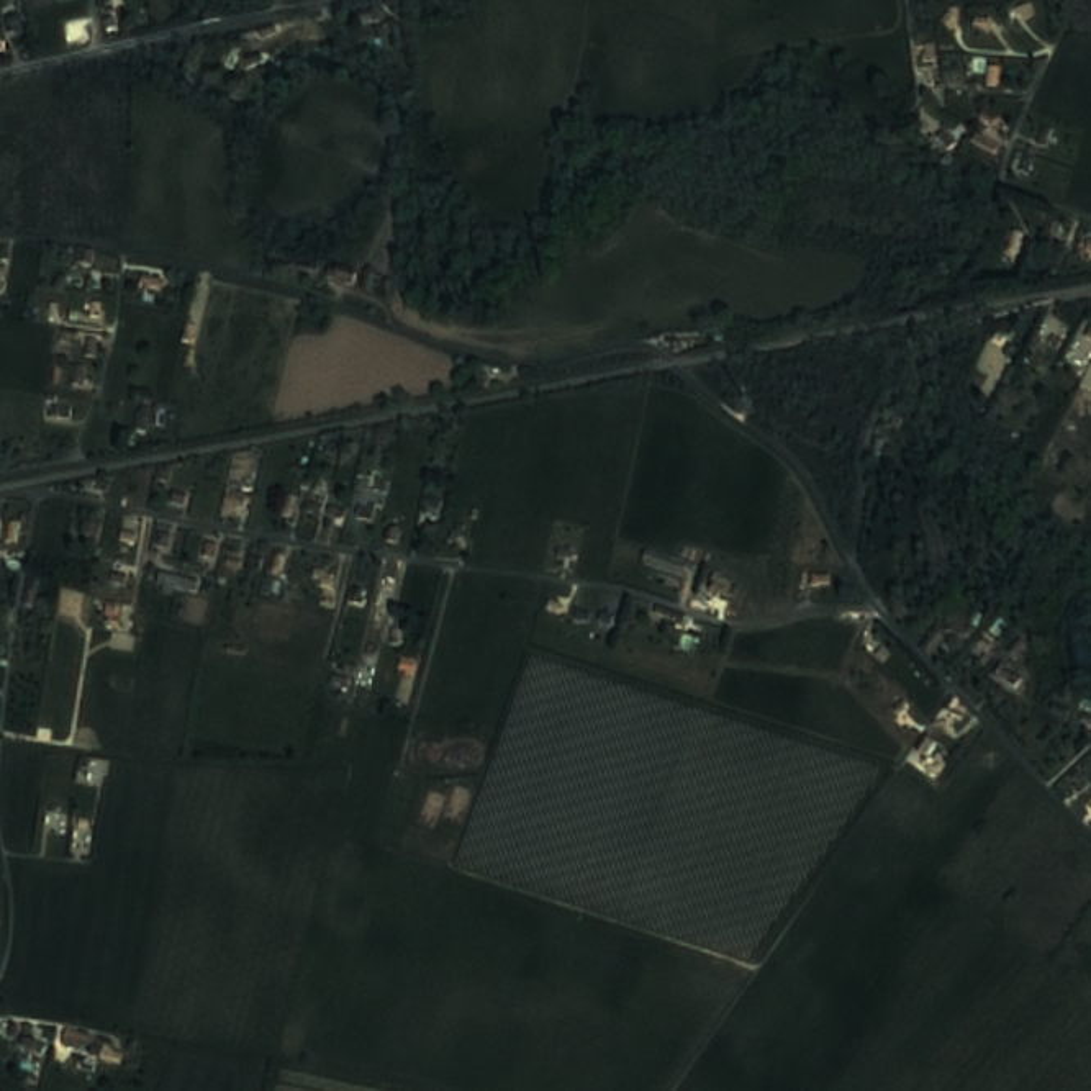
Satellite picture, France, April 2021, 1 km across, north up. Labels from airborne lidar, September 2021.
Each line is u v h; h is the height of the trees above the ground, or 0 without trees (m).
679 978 0
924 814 0
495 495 0
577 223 31
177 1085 0
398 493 0
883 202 7
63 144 7
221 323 0
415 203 24
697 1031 0
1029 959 0
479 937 0
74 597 0
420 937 0
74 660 0
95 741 0
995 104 8
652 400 0
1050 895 0
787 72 25
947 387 14
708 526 0
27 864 0
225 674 0
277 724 0
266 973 0
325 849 0
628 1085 0
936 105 14
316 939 0
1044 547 25
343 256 16
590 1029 0
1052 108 0
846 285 0
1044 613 19
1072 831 0
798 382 10
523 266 14
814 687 0
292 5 0
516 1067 0
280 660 0
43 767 0
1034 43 0
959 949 0
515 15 0
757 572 0
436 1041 0
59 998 0
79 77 16
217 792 0
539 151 0
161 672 0
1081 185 0
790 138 19
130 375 8
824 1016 0
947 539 15
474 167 0
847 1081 0
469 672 0
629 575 0
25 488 0
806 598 0
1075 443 0
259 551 8
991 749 0
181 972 0
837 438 9
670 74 0
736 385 11
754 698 0
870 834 0
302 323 9
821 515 0
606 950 0
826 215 0
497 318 11
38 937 0
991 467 19
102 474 8
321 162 0
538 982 0
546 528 0
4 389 0
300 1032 0
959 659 11
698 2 0
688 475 0
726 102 15
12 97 0
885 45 0
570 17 0
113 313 0
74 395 0
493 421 0
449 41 0
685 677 0
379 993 0
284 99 25
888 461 13
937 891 0
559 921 0
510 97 0
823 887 0
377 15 0
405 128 15
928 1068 0
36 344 0
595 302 0
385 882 0
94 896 0
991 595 17
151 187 0
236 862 0
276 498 7
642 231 0
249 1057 0
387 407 17
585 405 0
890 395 13
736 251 0
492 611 0
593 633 0
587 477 0
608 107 0
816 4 0
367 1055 0
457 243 21
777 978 0
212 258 0
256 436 0
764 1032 0
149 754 0
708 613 0
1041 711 0
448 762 0
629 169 15
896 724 0
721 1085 0
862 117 25
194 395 0
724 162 19
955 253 14
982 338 10
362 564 10
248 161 11
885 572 0
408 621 13
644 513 0
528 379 11
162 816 0
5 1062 0
